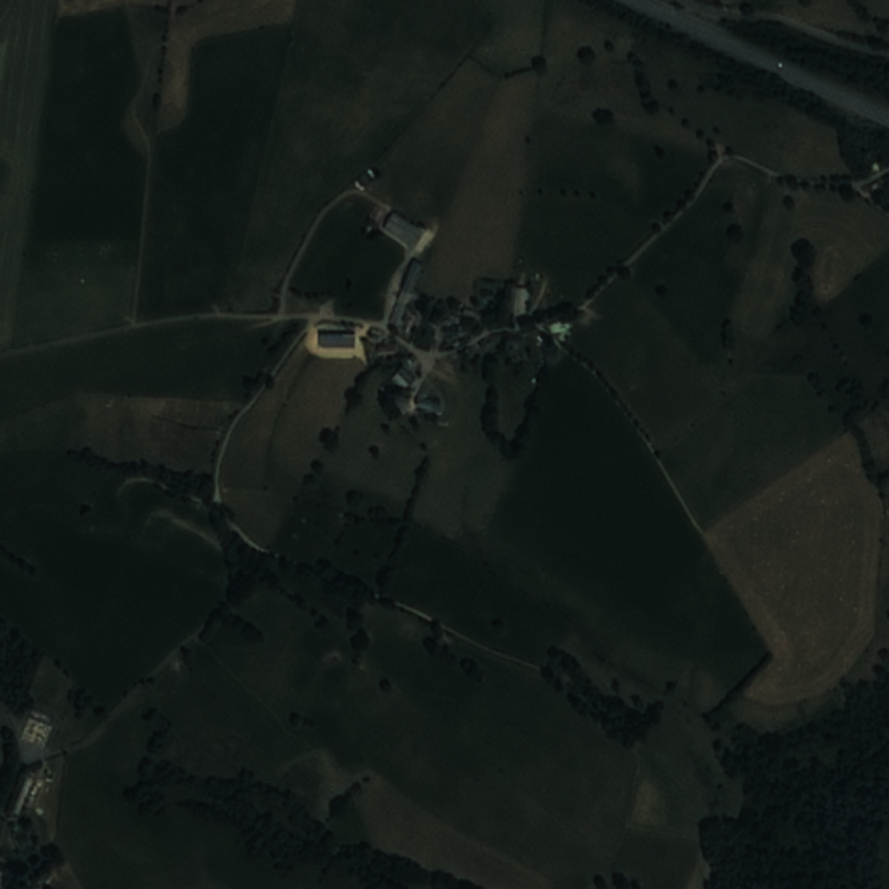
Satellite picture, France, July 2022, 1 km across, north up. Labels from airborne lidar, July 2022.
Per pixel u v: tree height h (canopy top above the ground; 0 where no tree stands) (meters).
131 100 0
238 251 0
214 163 0
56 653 0
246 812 21
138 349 0
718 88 5
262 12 0
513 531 0
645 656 0
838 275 0
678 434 0
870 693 16
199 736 0
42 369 0
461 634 0
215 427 0
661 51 0
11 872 18
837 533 0
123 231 0
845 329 0
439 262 0
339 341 0
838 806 12
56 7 0
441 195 0
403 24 0
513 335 0
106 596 0
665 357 0
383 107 0
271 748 0
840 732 18
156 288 0
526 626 0
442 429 0
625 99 0
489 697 0
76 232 0
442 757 0
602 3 9
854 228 0
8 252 0
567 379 0
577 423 0
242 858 0
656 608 0
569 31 0
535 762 0
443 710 0
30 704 18
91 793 0
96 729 0
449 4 0
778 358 0
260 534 0
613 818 0
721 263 0
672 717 0
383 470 0
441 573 0
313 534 0
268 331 0
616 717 19
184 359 0
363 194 0
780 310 0
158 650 0
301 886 0
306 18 0
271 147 0
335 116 0
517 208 0
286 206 0
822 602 0
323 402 0
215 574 0
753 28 6
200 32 0
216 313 0
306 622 0
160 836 0
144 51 0
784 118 0
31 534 0
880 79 8
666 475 0
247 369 0
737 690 8
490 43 0
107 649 0
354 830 0
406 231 0
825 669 0
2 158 0
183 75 0
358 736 0
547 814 0
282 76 0
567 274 0
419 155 0
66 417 0
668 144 0
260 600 0
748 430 0
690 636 0
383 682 12
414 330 12
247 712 0
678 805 0
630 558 0
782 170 0
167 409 0
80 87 0
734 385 0
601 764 0
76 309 0
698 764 0
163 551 0
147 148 0
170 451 0
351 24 0
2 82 0
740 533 0
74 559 0
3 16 0
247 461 0
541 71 16
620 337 0
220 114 0
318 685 0
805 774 8
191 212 0
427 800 0
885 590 0
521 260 0
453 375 0
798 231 0
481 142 0
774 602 0
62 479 0
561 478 0
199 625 0
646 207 0
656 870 0
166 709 0
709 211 0
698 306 0
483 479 0
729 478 0
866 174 11
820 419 0
